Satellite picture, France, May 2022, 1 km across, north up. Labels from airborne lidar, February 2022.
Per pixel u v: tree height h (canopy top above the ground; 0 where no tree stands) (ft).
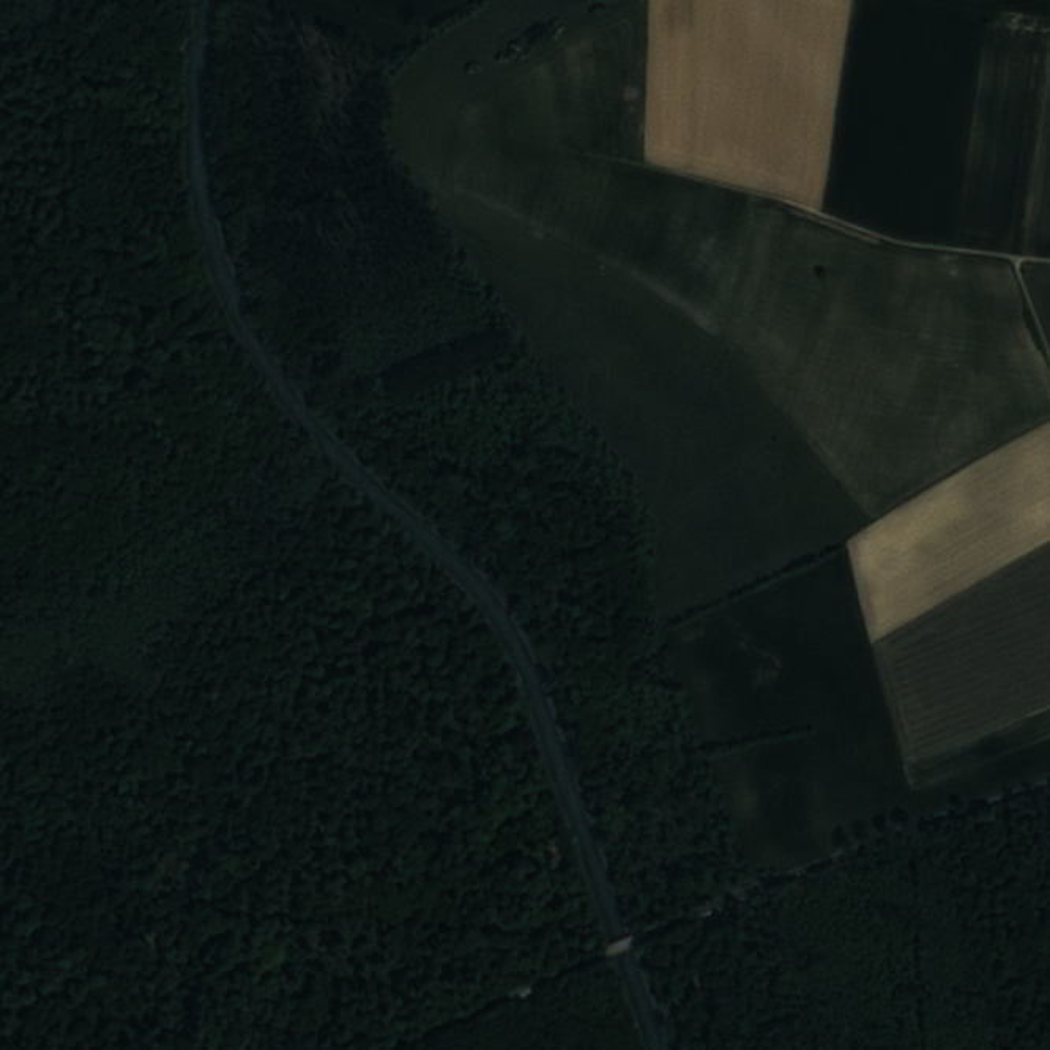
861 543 0
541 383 71
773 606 0
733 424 0
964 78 0
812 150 0
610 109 0
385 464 77
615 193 0
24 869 72
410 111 0
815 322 0
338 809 88
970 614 0
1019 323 0
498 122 0
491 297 48
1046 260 0
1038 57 0
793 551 0
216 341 99
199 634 66
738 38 0
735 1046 80
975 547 0
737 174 0
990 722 0
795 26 0
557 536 90
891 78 0
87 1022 90
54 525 70
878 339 0
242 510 63
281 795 73
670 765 86
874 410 0
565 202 0
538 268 0
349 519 82
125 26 92
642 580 83
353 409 88
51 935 88
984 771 0
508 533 93
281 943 95
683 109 0
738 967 89
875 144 0
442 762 90
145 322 104
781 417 0
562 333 0
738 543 0
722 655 0
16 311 87
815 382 0
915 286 0
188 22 57
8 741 70
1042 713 0
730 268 0
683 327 0
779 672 0
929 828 51
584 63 0
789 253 0
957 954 61
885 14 0
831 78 0
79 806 80
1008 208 0
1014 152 0
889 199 0
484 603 0
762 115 0
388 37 0
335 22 0
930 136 0
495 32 0
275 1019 96
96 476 83
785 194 0
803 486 0
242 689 64
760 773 0
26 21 48
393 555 74
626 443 0
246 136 82
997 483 0
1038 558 0
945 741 0
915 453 0
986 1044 49
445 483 95
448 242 51
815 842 0
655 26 0
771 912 78
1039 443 0
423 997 98
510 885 89
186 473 83
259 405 62
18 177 80
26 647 68
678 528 0
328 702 86
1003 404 0
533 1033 58
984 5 0
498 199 0
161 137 71
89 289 69
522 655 0
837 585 0
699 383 0
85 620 69
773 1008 80
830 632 0
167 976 71
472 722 89
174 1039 89
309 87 127
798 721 0
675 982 87
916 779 0
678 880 96
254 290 88
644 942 46
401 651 98
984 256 0
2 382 91
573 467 79
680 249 0
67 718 67
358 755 98
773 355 0
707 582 0
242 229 80
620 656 82
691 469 0
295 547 78
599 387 0
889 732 0
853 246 0
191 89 0
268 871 88
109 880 96
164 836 101
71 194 88
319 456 34
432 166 0
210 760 72
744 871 53
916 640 0
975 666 0
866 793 0
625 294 0
